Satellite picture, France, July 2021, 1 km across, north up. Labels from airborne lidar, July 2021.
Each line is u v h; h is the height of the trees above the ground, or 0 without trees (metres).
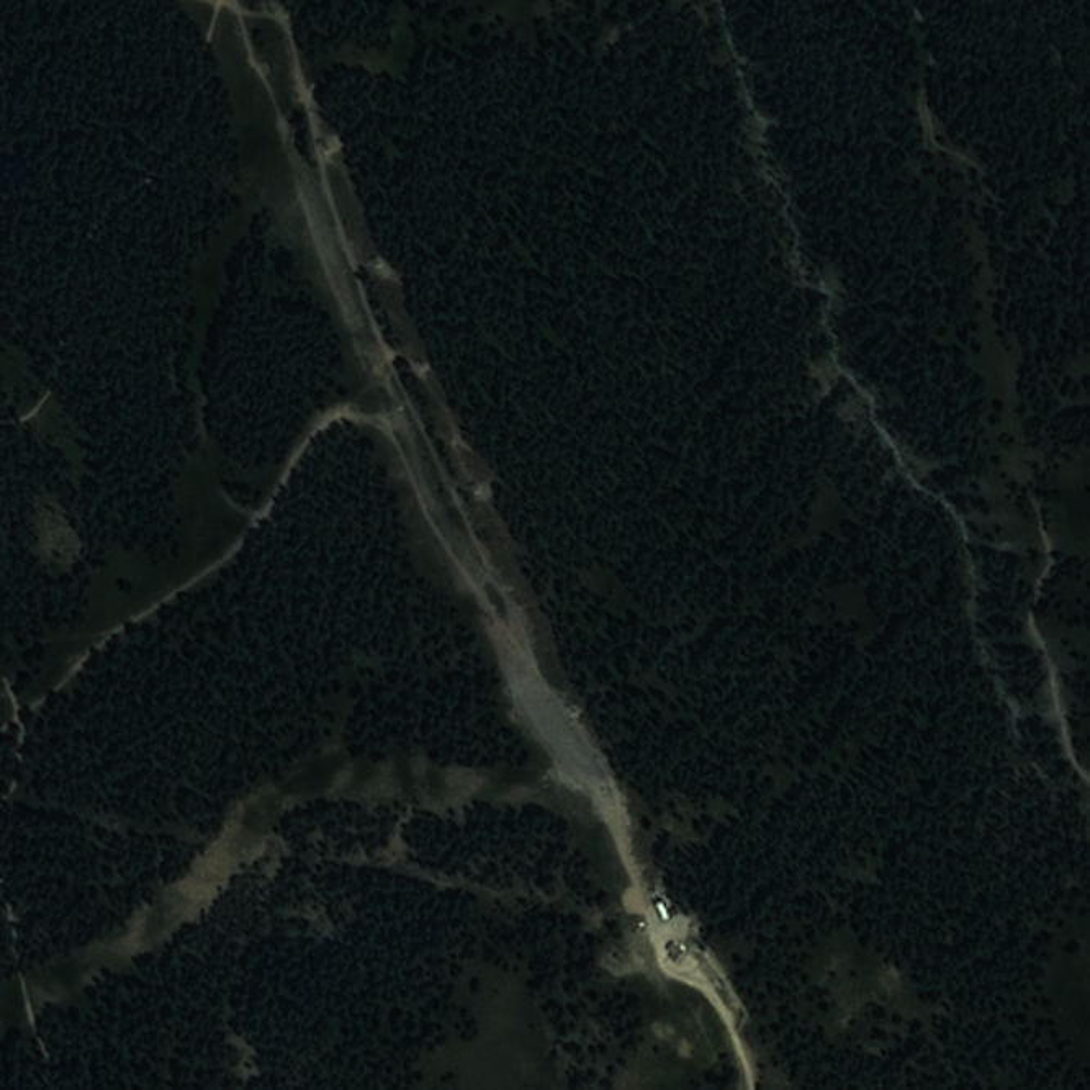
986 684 28
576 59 22
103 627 0
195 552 0
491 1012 0
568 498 20
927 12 19
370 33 23
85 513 16
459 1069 0
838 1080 15
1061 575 9
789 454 28
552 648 0
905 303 24
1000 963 23
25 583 21
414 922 10
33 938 16
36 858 23
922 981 19
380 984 20
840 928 21
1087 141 25
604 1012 8
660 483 28
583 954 12
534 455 22
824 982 0
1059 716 0
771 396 25
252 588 20
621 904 0
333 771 0
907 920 26
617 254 30
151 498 17
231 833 0
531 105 25
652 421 25
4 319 19
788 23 22
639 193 27
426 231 24
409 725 10
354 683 0
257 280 26
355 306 0
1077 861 24
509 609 0
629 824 0
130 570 0
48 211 24
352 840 16
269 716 18
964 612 22
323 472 13
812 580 23
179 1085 17
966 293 17
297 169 0
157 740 21
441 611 10
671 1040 0
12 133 23
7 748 22
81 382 18
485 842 10
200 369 0
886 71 27
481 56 27
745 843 22
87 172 19
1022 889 22
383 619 14
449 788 0
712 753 24
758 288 24
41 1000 0
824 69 19
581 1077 11
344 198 0
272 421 21
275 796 0
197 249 21
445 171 22
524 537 21
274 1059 11
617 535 24
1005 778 18
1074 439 9
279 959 7
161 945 0
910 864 26
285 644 12
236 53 0
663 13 21
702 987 0
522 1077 0
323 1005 13
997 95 29
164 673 22
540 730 0
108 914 22
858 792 24
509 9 0
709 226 24
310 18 23
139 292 17
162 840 15
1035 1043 9
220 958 18
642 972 0
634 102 26
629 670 29
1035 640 0
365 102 25
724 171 19
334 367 17
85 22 25
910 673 23
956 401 18
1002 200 9
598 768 0
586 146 27
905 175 16
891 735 25
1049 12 19
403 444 0
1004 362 0
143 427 20
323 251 0
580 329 26
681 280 29
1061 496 11
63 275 19
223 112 23
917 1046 21
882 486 23
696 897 22
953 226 18
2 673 16
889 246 23
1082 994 0
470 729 11
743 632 21
